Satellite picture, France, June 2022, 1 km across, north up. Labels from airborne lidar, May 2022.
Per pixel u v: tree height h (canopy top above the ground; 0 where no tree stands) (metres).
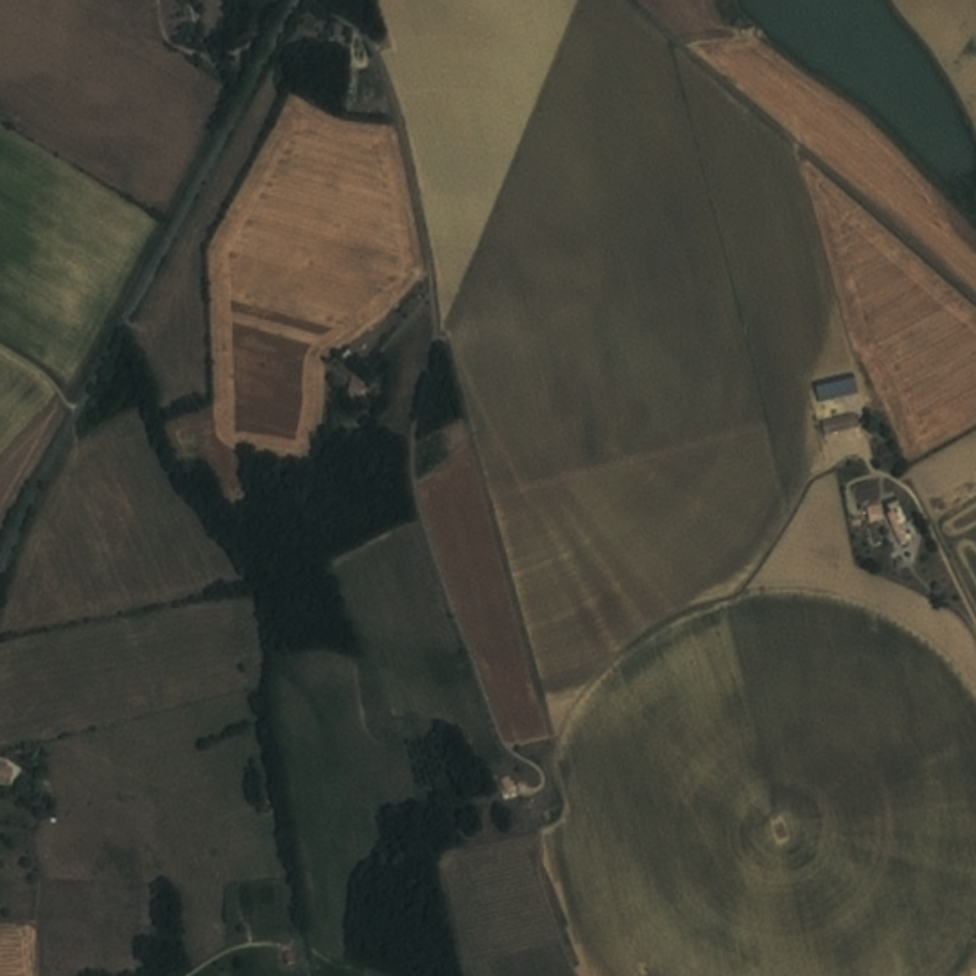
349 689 0
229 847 0
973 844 0
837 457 0
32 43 0
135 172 0
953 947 0
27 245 0
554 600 0
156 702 0
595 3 0
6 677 0
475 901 0
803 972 0
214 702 0
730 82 0
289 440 0
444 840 14
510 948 0
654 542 0
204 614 0
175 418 13
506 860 0
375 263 0
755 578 0
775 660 0
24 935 0
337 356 12
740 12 0
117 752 0
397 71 0
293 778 0
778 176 0
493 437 0
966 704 0
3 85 0
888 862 0
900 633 0
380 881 24
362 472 13
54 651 0
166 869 0
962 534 0
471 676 0
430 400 17
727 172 0
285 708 0
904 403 0
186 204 0
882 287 0
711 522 0
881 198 0
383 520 10
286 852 14
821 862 0
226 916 7
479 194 0
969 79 0
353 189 0
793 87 0
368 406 17
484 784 15
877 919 0
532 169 0
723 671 0
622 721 0
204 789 0
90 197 0
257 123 0
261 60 18
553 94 0
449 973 14
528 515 0
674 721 0
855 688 0
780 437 0
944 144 0
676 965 0
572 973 0
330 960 0
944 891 0
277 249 0
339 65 13
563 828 0
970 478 0
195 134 0
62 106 0
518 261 0
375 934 24
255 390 0
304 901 14
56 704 0
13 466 0
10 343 0
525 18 0
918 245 0
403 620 0
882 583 0
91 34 0
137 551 0
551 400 0
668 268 0
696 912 0
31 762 6
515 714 0
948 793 0
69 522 0
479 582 0
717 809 0
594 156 0
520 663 0
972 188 0
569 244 0
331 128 0
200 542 0
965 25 0
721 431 0
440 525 0
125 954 0
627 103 0
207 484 20
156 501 0
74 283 0
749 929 0
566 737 0
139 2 0
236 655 0
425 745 8
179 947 15
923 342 0
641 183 0
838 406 0
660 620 0
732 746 0
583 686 0
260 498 18
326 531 13
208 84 0
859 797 0
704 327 0
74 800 0
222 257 0
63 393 0
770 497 0
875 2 0
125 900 0
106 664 0
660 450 0
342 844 0
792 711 0
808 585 0
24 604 0
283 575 17
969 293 0
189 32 13
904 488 0
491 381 0
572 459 0
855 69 0
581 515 0
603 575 0
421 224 0
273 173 0
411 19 0
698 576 0
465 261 0
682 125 0
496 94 0
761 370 0
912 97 0
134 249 0
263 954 0
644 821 0
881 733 0
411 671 0
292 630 13
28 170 0
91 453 0
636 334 0
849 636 0
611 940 0
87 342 0
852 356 0
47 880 0
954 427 0
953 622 0
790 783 0
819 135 0
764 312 0
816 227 0
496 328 0
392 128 0
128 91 0
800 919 0
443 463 0
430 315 0
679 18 0
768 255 0
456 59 0
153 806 0
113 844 0
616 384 0
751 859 0
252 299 0
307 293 0
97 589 0
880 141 0
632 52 0
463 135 0
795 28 0
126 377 9
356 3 13
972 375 0
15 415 0
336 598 9
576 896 0
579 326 0
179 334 0
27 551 0
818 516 0
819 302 0
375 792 0
